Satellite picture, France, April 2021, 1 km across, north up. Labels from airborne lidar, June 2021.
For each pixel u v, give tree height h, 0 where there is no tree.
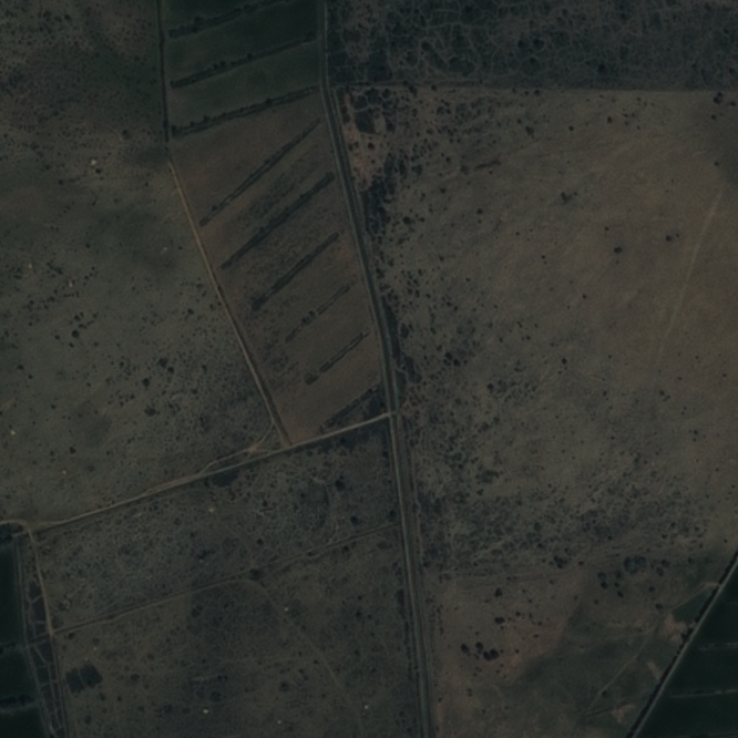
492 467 0
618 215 0
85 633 0
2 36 0
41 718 0
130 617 0
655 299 0
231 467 0
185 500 0
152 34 0
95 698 0
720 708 0
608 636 0
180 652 0
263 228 6
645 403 0
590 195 0
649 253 0
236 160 0
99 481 0
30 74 0
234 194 0
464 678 0
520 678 0
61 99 0
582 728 0
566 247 0
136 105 0
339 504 0
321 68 0
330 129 0
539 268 0
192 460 0
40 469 0
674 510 0
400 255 0
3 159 0
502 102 0
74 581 0
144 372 0
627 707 0
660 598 0
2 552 0
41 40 0
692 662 0
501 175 0
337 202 0
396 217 0
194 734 0
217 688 0
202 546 0
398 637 0
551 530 0
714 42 0
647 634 0
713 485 0
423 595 0
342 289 0
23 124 0
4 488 0
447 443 0
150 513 0
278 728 0
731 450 0
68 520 0
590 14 0
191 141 0
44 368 0
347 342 0
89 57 0
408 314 0
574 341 0
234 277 0
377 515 0
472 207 0
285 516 0
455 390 0
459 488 0
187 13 0
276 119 0
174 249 0
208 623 0
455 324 0
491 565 0
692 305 0
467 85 0
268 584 0
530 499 0
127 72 0
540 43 11
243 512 0
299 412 0
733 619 0
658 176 0
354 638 0
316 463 0
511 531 0
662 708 0
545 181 0
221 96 0
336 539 0
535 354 0
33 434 0
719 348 0
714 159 0
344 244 0
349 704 0
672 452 0
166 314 0
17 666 0
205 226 0
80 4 0
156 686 0
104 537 0
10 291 0
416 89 6
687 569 0
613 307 0
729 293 0
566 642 0
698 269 0
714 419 0
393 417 0
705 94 0
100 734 0
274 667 0
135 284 0
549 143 0
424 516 0
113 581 0
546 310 0
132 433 0
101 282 0
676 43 0
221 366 0
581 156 0
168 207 0
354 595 0
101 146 0
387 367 0
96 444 0
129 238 0
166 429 0
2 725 0
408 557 0
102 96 0
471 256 0
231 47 0
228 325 0
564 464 0
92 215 0
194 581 0
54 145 0
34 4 0
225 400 0
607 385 0
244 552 0
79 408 0
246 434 0
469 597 0
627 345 0
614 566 0
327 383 0
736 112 0
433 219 0
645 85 0
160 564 0
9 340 0
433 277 0
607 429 0
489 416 0
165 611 0
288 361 0
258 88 0
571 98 0
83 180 0
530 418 0
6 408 0
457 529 0
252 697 0
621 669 0
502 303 0
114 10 0
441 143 0
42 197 0
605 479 0
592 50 0
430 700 0
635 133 0
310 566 0
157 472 0
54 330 0
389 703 0
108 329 0
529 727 0
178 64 0
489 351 0
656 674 0
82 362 0
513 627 0
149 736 0
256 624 0
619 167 0
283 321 0
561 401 0
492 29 0
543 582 0
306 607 0
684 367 0
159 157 0
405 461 0
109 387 0
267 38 0
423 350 0
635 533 0
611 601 0
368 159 0
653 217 0
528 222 0
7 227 0
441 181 0
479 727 0
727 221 0
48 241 0
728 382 0
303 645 0
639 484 0
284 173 0
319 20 0
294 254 0
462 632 0
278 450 0
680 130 0
